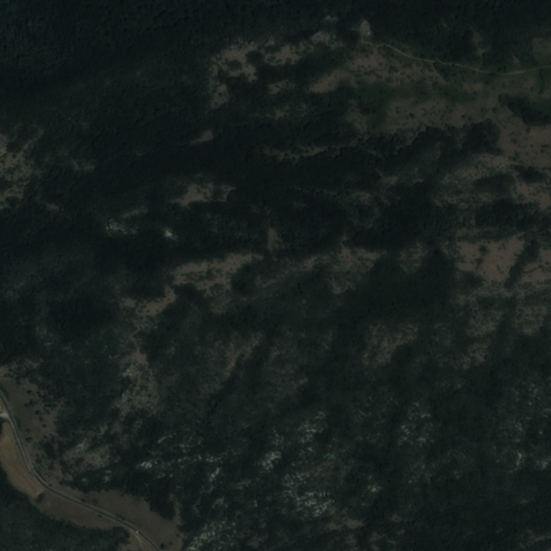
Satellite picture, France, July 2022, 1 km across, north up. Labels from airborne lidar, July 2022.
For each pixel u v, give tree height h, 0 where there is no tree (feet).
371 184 18
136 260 49
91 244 21
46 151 21
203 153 44
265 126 52
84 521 0
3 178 26
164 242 24
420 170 17
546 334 20
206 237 33
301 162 42
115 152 23
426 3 74
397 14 62
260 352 18
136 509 0
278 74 29
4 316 34
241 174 42
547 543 24
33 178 27
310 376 19
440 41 19
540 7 43
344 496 22
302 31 27
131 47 55
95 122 28
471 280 20
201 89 21
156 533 0
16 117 27
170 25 67
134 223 20
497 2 46
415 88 0
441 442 20
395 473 21
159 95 41
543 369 23
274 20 37
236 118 35
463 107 0
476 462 20
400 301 25
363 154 32
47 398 18
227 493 17
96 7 59
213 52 22
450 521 30
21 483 0
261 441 18
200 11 68
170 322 23
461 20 29
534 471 24
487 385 20
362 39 0
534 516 23
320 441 19
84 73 44
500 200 26
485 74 0
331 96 28
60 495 0
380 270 50
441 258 23
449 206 26
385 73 0
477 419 25
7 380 0
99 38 60
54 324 22
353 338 17
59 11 66
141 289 23
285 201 37
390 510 23
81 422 19
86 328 28
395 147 18
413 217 37
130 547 0
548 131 0
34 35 43
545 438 21
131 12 48
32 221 45
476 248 0
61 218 25
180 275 0
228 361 0
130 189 21
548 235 18
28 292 19
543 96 0
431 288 21
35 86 60
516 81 0
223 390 26
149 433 26
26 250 26
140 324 0
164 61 19
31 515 24
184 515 22
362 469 22
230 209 26
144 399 0
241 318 18
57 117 31
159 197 31
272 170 45
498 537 28
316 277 20
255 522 20
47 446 20
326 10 31
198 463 25
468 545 33
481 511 20
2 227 45
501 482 24
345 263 0
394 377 33
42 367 22
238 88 33
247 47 0
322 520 21
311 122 49
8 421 0
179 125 40
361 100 19
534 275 0
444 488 24
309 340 18
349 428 25
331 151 30
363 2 44
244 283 31
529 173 28
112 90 33
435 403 27
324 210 39
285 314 18
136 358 0
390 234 47
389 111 0
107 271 23
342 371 21
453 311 20
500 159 0
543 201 0
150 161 34
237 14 61
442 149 19
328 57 24
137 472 20
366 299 29
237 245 25
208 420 23
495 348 19
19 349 24
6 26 32
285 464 26
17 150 28
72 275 19
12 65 42
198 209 28
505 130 0
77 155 19
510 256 0
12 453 0
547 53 0
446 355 22
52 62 50
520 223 35
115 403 0
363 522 20
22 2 81
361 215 21
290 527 18
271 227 24
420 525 34
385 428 17
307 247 32
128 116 39
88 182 21
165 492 28
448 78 19
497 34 29
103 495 0
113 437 21
